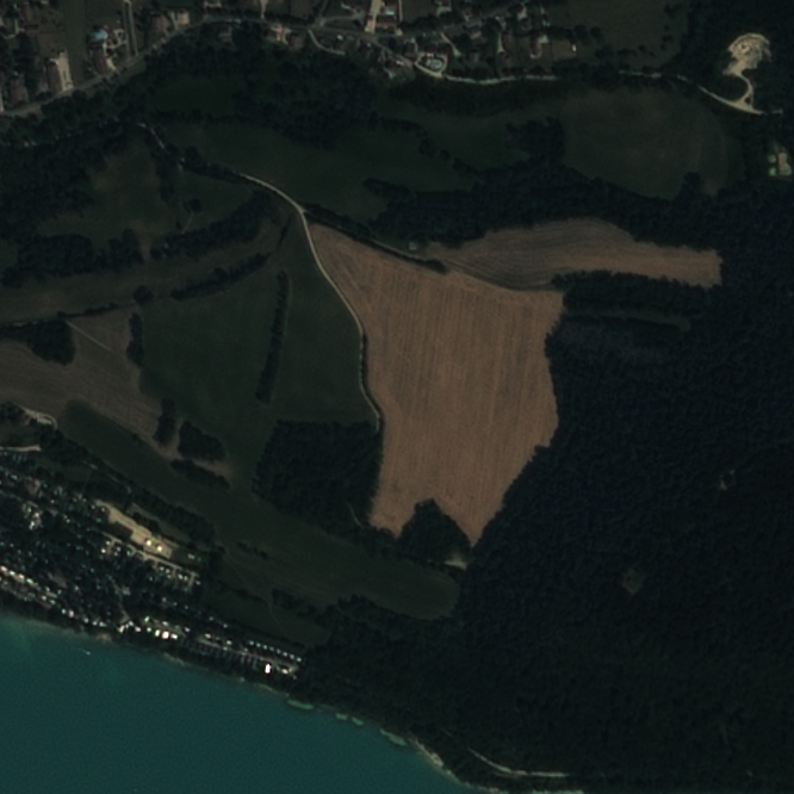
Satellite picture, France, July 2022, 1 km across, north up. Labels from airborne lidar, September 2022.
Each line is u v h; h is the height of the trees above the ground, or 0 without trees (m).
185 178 0
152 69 15
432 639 17
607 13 0
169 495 0
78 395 0
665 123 0
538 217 18
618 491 24
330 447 21
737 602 21
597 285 23
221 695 0
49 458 11
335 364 0
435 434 0
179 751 0
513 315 0
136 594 14
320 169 0
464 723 25
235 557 0
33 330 11
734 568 28
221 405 0
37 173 30
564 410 18
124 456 0
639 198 15
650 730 27
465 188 0
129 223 0
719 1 17
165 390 0
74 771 0
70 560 12
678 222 28
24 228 20
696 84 19
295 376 0
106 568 16
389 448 0
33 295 0
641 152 0
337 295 0
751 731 25
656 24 0
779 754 26
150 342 0
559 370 18
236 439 0
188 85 0
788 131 22
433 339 0
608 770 20
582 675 24
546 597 24
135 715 0
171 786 0
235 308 0
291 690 18
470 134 0
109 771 0
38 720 0
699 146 0
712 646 21
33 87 17
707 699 29
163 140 20
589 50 0
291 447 18
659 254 0
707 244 18
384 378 0
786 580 23
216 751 0
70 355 16
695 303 20
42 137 23
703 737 29
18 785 0
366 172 0
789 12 16
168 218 0
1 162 36
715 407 17
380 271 0
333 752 0
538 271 0
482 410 0
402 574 0
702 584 20
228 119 14
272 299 0
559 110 0
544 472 21
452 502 0
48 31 0
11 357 0
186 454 15
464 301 0
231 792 0
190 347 0
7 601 13
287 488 16
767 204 8
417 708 24
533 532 13
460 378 0
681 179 0
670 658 22
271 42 0
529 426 0
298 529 0
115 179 0
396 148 0
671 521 23
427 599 0
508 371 0
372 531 11
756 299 24
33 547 17
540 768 9
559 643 12
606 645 16
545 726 22
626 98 0
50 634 0
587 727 18
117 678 0
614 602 24
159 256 17
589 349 29
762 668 21
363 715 6
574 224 0
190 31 5
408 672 23
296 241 0
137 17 8
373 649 24
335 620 15
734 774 22
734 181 0
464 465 0
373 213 0
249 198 0
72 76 0
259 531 0
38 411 0
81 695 0
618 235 0
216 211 0
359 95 33
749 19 14
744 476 21
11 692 0
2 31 9
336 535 17
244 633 8
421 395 0
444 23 7
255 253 0
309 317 0
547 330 0
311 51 6
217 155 0
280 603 8
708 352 29
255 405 0
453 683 21
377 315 0
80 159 25
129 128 23
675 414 21
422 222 27
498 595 20
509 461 0
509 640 22
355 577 0
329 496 19
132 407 0
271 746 0
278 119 7
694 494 22
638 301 12
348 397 0
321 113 11
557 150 16
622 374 24
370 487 20
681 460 21
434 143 14
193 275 0
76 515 15
